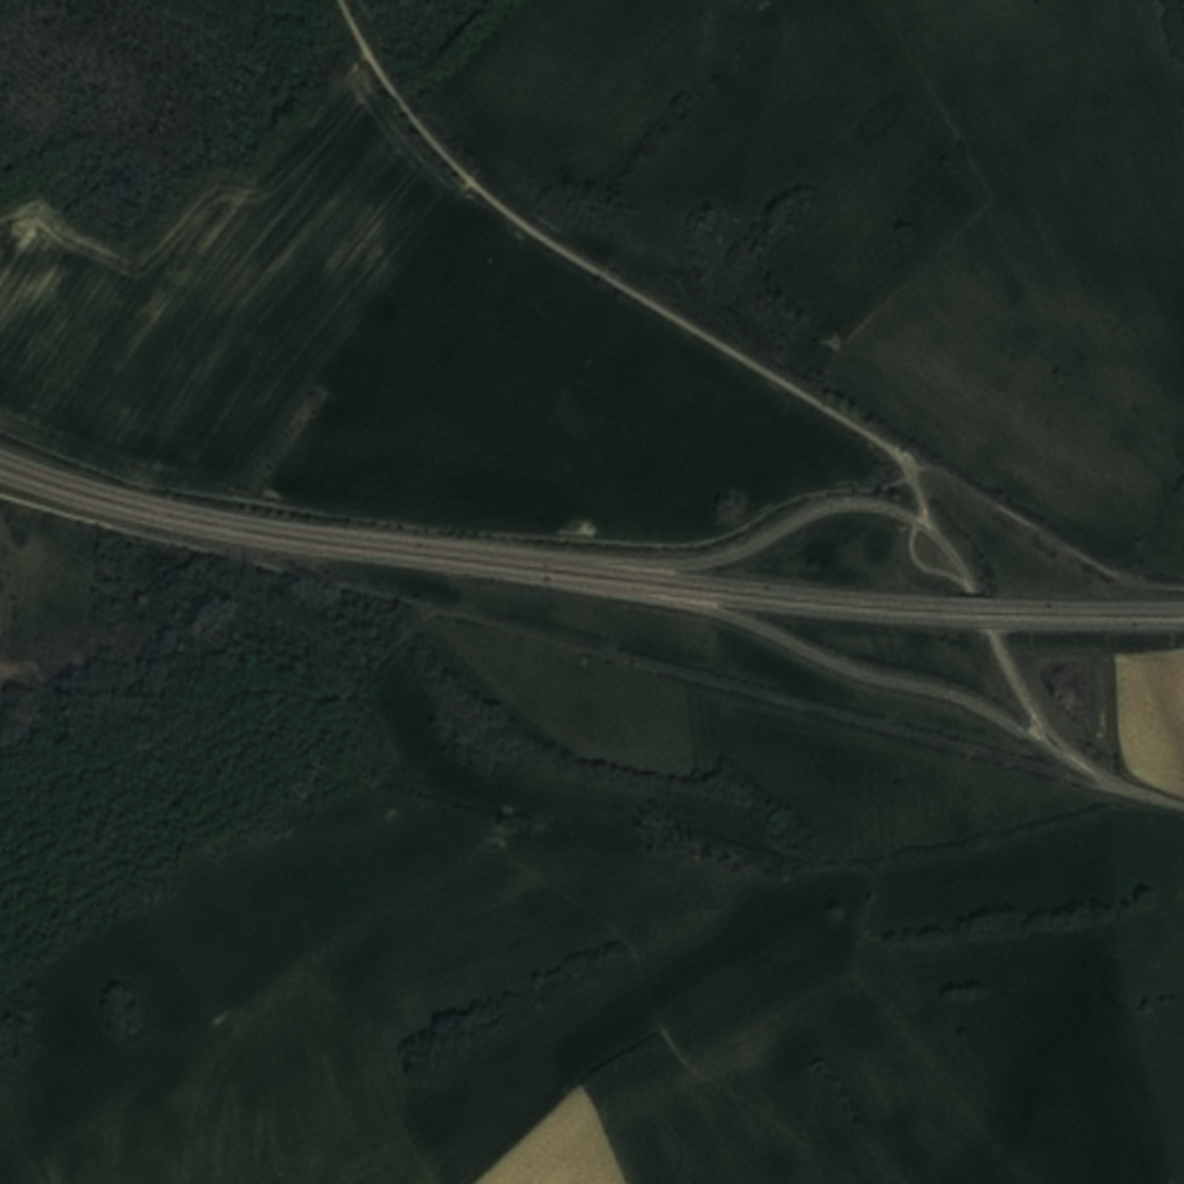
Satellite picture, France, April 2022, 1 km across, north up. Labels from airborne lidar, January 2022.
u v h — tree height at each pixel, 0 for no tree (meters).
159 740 13
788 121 0
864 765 0
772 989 0
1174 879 0
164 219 18
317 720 12
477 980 0
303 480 0
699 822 0
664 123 0
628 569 0
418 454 0
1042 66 0
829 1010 0
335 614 20
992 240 0
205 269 0
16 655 0
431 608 0
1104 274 0
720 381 0
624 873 0
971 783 0
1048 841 0
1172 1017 0
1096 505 0
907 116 0
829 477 0
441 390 0
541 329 0
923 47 0
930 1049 0
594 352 0
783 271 0
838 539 0
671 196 0
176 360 0
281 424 0
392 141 0
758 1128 0
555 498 0
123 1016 15
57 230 0
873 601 0
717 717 0
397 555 0
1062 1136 0
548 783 0
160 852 12
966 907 0
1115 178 0
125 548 7
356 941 0
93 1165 0
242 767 11
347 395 0
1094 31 0
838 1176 0
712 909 0
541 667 0
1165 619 0
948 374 0
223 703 10
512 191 0
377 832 0
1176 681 0
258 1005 0
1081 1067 0
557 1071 0
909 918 0
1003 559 0
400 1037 0
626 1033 0
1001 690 0
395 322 0
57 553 0
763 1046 0
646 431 0
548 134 0
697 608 0
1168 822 0
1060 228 0
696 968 0
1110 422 0
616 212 7
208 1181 0
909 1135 0
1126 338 0
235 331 0
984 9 0
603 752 0
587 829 0
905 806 0
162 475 0
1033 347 0
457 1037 13
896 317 0
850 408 15
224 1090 0
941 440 0
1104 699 0
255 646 16
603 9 0
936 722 0
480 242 0
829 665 0
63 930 12
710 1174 0
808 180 0
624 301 8
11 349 0
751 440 0
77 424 0
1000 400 0
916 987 0
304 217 0
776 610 0
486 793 0
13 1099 0
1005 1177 0
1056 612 0
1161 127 0
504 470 0
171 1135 0
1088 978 0
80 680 17
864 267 0
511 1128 0
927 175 0
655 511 0
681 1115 0
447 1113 0
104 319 0
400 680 0
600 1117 0
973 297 0
